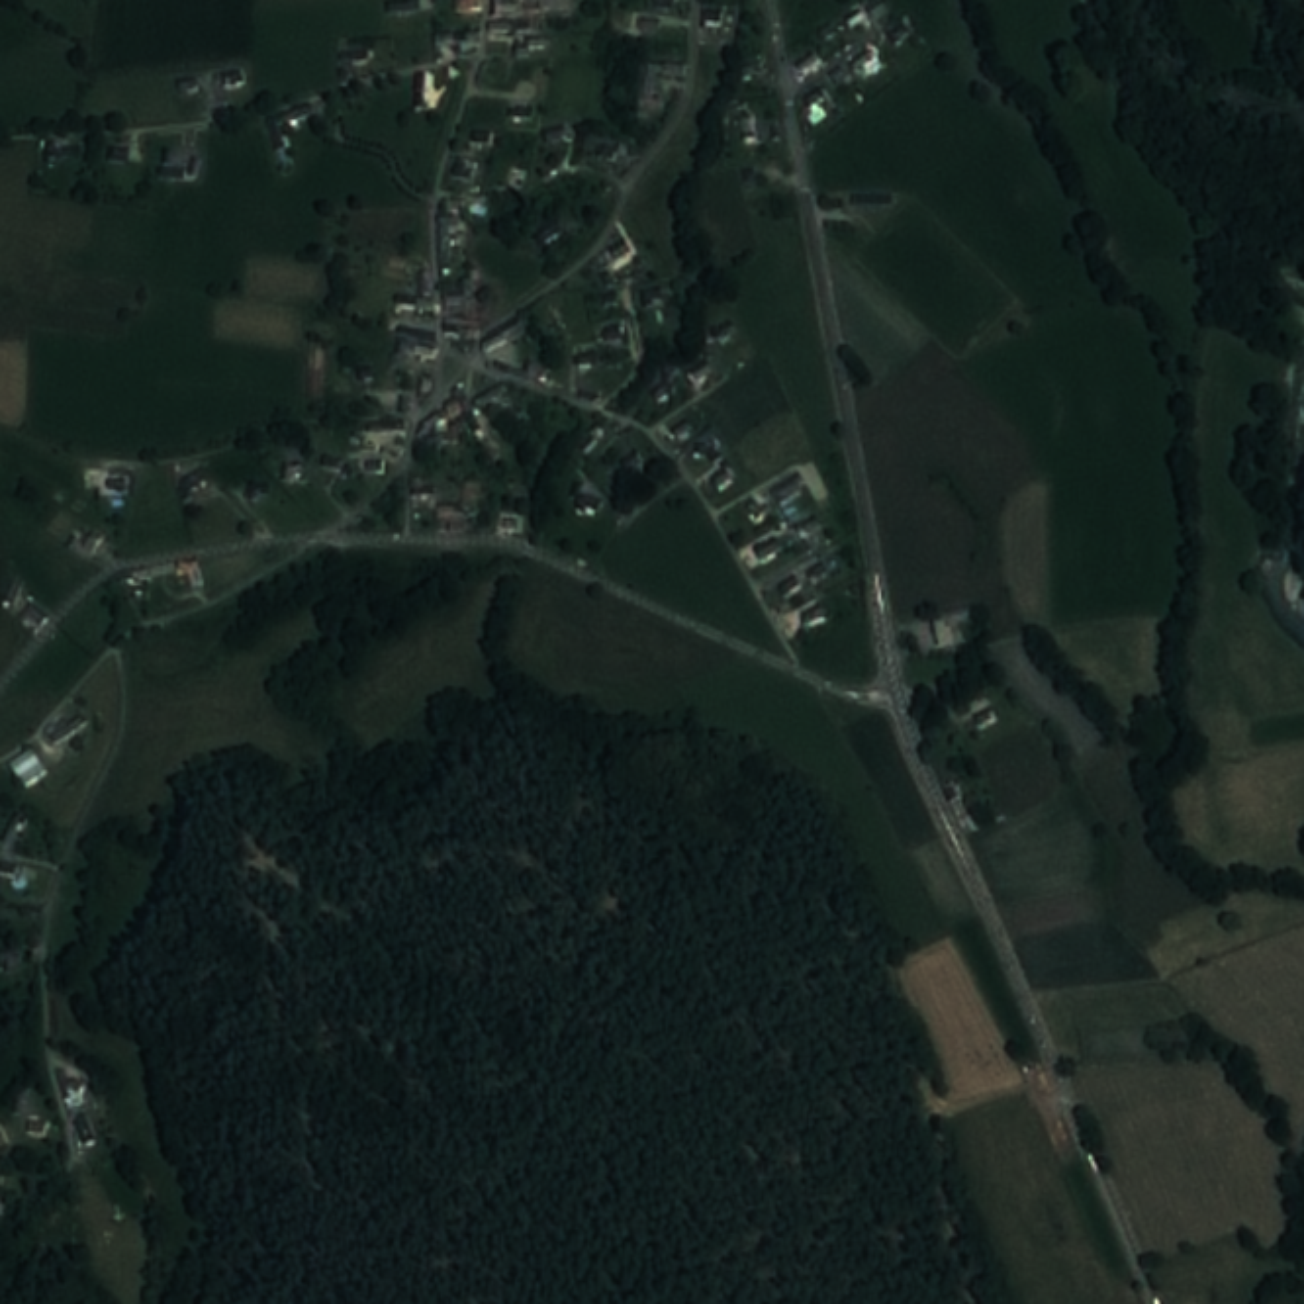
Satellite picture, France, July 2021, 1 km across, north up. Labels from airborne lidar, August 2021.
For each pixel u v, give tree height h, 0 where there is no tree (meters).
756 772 26
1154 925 0
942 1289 31
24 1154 20
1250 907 0
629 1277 29
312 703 11
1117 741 21
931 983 0
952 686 14
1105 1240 0
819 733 0
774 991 32
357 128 0
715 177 0
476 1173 28
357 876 20
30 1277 26
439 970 29
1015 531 0
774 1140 29
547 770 30
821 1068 27
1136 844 0
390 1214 30
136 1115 0
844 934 33
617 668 0
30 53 0
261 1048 28
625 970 25
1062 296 0
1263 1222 0
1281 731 0
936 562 0
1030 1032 0
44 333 0
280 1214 32
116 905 0
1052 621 0
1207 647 0
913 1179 30
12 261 0
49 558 0
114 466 0
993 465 0
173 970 20
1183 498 21
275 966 17
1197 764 19
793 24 0
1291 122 20
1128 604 0
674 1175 32
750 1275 31
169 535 0
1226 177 24
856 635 0
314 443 12
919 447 0
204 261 0
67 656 0
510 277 0
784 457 0
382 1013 27
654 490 16
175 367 0
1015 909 0
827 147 0
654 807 29
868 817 0
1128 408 0
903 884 0
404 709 0
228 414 0
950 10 0
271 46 0
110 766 0
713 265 26
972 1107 0
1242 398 0
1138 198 0
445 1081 25
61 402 0
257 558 0
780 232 0
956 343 0
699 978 26
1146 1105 0
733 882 27
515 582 17
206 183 0
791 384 0
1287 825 0
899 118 0
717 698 0
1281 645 0
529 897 26
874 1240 30
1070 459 0
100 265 0
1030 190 0
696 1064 30
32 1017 18
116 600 5
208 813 28
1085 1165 0
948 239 0
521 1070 28
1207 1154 0
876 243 0
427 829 29
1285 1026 0
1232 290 27
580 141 8
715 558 0
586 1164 29
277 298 0
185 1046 24
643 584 0
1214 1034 10
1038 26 0
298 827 26
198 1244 20
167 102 0
